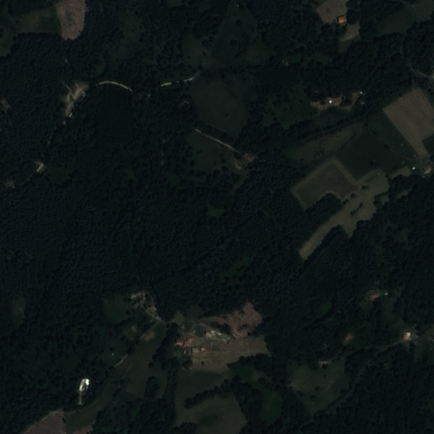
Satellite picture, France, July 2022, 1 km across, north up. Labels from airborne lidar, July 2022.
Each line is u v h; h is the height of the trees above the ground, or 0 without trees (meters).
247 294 14
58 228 26
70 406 8
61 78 28
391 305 0
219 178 11
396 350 19
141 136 18
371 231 28
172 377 9
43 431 0
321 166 0
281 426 30
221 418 0
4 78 30
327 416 20
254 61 0
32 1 31
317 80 7
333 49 12
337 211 10
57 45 30
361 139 0
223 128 0
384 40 19
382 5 30
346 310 32
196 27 11
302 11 8
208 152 0
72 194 31
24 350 24
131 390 0
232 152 0
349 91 18
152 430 15
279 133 20
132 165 22
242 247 14
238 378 19
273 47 14
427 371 19
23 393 17
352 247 27
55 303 27
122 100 8
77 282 31
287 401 19
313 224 22
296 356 14
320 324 23
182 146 15
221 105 0
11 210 28
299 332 28
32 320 25
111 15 30
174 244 25
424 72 14
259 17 27
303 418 15
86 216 23
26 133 35
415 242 13
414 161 0
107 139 20
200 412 0
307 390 0
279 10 28
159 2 17
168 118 22
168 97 12
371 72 20
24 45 28
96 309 17
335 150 0
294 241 21
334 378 0
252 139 22
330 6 0
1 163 27
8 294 33
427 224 16
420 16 0
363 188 11
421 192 19
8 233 29
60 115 7
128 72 18
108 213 22
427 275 20
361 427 27
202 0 12
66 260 34
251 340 0
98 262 33
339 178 0
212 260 18
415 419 13
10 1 32
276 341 28
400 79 16
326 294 20
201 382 0
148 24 7
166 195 17
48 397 10
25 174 34
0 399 22
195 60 0
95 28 30
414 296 23
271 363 24
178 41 16
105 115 7
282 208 23
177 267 23
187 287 21
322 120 0
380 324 19
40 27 0
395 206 24
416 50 17
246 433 24
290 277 16
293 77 16
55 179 0
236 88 0
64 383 8
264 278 17
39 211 30
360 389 20
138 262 26
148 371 0
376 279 32
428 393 12
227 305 32
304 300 26
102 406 0
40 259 25
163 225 26
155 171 20
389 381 24
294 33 20
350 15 20
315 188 0
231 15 0
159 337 0
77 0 0
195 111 17
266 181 25
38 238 35
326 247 26
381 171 0
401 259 11
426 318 20
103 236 32
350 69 26
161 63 18
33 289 23
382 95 15
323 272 23
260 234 26
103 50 14
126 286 25
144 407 9
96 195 12
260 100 7
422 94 0
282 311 21
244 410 22
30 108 35
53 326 7
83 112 23
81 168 19
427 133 0
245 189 20
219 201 29
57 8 0
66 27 0
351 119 7
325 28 18
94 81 16
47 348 18
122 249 22
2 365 24
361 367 14
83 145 18
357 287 27
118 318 0
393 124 0
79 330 7
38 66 27
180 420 0
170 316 21
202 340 0
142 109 20
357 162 0
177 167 13
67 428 0
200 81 0
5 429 23
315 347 26
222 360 0
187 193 20
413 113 0
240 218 22
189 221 22
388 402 15
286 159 19
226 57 0
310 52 8
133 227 16
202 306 21
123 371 0
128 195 10
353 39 0
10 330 7
